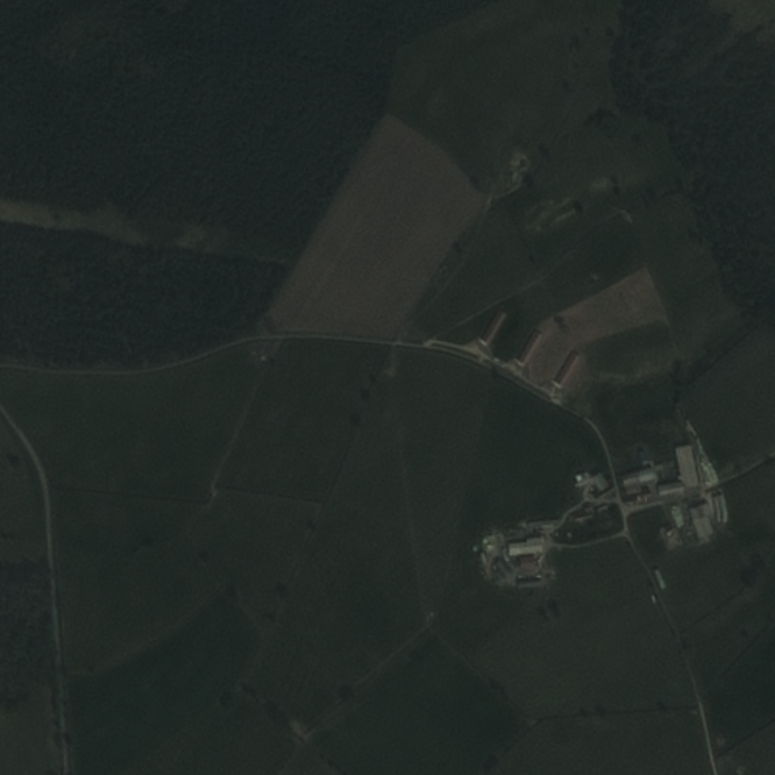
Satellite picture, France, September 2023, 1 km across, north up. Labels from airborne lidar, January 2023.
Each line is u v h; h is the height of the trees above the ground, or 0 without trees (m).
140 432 0
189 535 0
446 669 0
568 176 0
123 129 10
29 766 0
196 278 17
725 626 0
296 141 12
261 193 13
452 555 0
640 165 0
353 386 0
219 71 16
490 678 0
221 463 0
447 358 0
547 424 0
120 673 0
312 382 0
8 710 16
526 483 0
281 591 13
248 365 0
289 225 11
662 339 0
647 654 0
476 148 0
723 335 0
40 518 0
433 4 12
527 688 0
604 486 0
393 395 0
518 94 0
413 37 10
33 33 15
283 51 18
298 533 0
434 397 0
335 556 0
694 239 12
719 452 0
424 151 0
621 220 0
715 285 0
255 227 8
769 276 16
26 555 0
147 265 11
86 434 0
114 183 13
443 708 0
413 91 0
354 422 12
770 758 0
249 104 13
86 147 13
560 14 0
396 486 0
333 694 0
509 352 0
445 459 0
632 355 0
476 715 0
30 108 16
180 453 0
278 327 0
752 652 0
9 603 21
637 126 0
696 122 10
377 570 0
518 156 0
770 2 0
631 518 0
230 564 0
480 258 0
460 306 0
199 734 0
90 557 0
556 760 0
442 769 0
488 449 0
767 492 0
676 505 0
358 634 0
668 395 0
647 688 0
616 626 0
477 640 0
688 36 9
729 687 0
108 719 0
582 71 0
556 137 0
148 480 0
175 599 0
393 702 0
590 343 0
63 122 17
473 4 8
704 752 0
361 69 12
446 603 0
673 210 0
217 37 10
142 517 0
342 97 11
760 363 0
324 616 0
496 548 0
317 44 12
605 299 0
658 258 0
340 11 10
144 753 0
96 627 0
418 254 0
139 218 11
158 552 0
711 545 0
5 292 12
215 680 0
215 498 0
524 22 0
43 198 7
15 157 16
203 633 0
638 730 0
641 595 0
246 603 0
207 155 11
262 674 0
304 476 0
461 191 0
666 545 0
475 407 0
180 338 10
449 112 0
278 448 0
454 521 0
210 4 14
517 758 0
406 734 0
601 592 0
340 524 0
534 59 0
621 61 20
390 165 0
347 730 0
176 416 0
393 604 0
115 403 0
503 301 0
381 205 0
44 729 0
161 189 16
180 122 14
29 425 0
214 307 18
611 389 0
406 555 0
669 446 0
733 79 14
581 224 0
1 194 6
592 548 0
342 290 0
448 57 0
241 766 0
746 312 11
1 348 13
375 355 0
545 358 0
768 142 14
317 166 13
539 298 0
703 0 0
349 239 0
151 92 11
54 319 9
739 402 0
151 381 0
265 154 12
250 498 0
